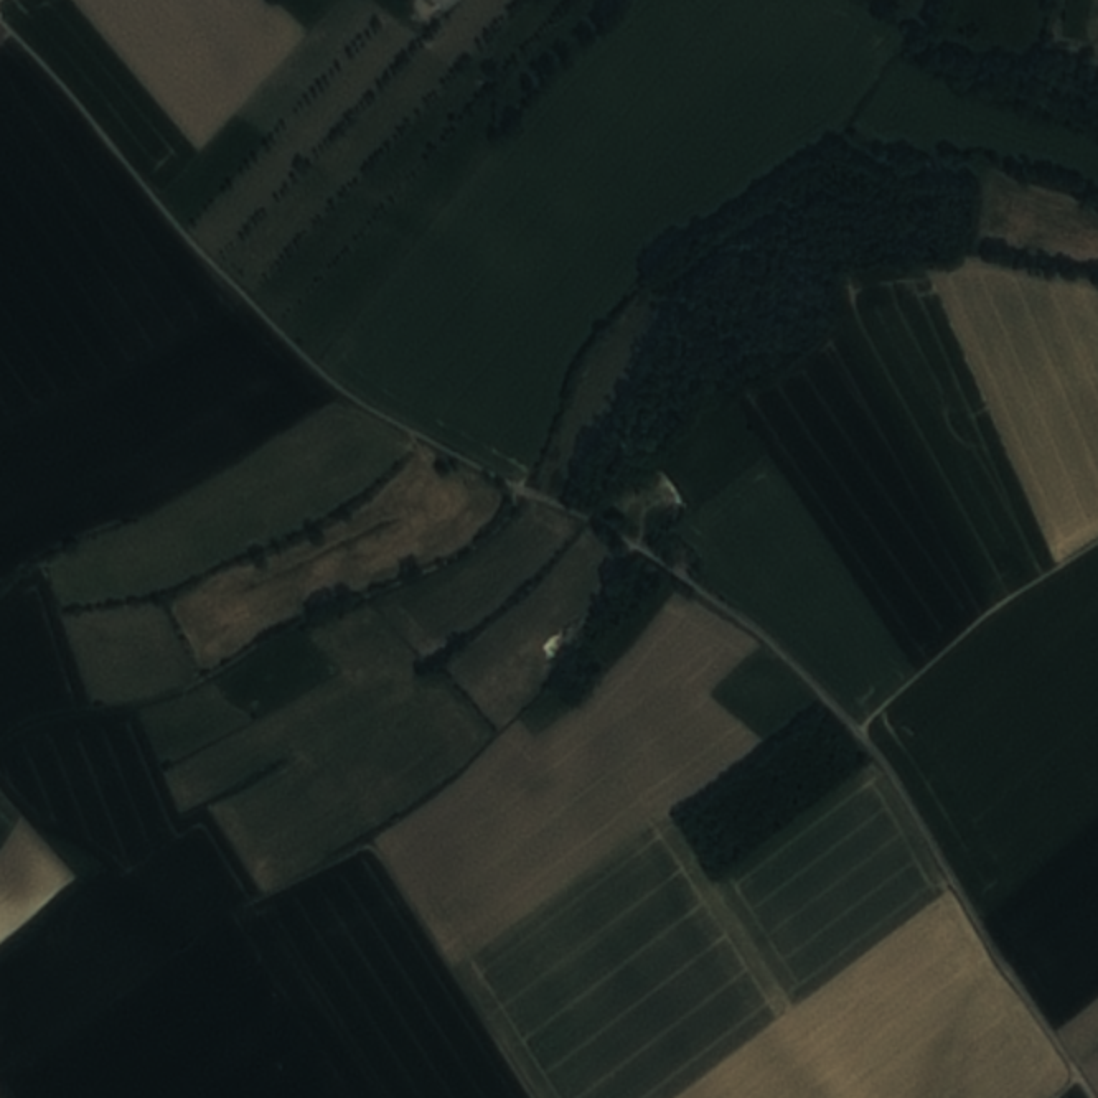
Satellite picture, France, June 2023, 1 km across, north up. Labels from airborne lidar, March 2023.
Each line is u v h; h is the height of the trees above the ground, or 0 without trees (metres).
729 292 25
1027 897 0
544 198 0
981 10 0
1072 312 0
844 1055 0
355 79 0
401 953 0
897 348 0
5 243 0
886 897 0
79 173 0
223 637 0
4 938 0
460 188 0
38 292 0
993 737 0
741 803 12
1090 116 25
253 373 0
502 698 0
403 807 0
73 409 0
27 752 0
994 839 0
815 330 25
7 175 0
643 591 20
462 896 0
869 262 10
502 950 0
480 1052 0
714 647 0
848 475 0
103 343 0
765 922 0
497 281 0
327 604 18
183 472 0
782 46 0
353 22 0
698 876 0
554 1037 0
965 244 23
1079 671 0
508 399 0
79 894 0
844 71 0
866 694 0
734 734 0
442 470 13
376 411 0
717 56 0
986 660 0
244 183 0
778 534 0
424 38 6
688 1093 0
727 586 0
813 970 0
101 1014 0
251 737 0
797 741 12
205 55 0
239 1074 0
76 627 0
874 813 0
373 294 0
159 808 0
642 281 8
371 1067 0
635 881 0
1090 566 0
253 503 0
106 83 0
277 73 0
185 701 0
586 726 0
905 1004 0
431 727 0
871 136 0
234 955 0
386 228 0
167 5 0
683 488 0
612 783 0
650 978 0
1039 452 0
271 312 0
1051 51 20
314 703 0
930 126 0
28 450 0
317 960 0
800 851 0
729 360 26
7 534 0
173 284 0
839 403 0
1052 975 0
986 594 0
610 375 0
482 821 0
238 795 0
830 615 0
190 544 0
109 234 0
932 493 0
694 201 0
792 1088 0
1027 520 0
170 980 0
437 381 0
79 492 0
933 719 0
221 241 0
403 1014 0
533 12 0
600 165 0
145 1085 0
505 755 0
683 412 24
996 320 0
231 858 0
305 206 0
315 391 0
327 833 0
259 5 0
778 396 0
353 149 0
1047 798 0
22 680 0
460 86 0
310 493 0
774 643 0
